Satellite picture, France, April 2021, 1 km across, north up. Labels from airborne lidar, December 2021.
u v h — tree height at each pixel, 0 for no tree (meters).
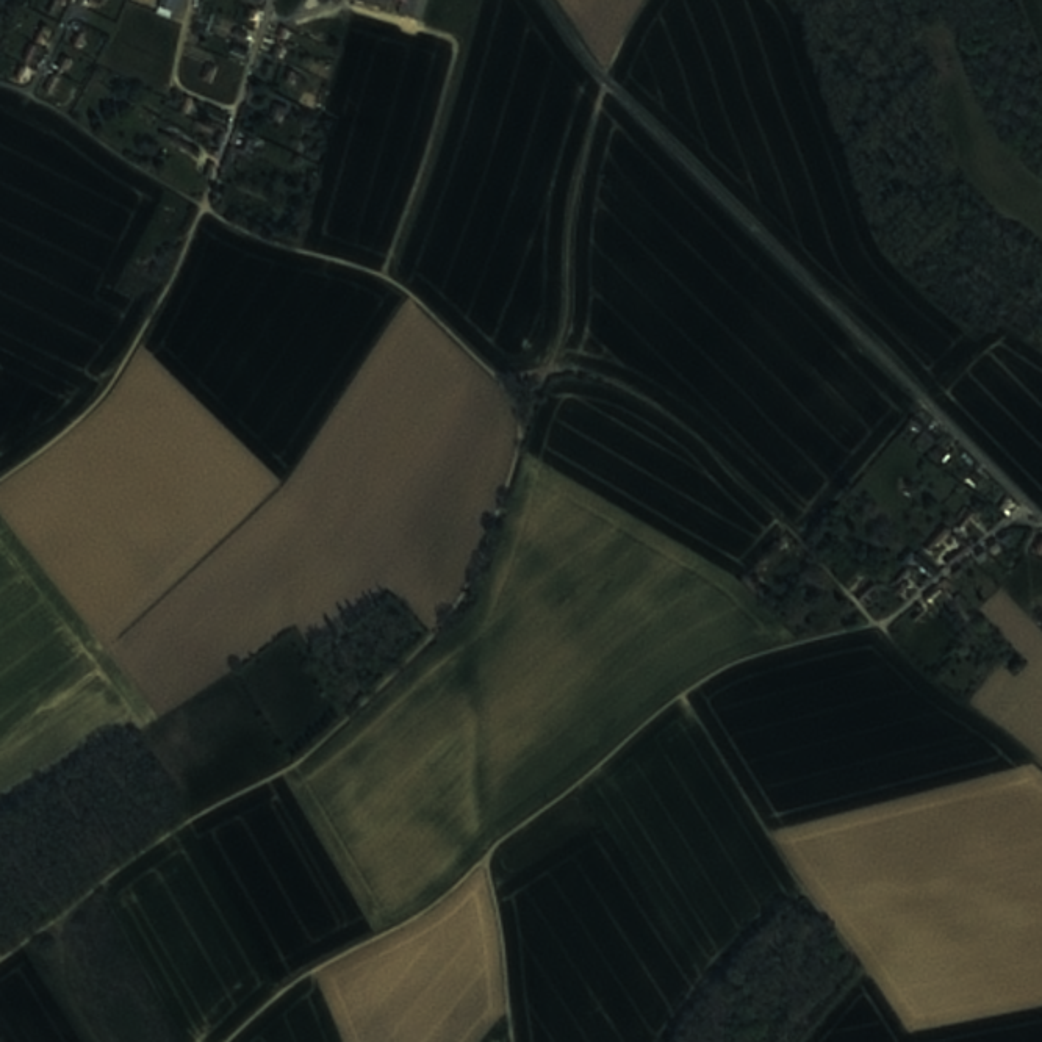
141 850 16
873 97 40
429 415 0
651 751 0
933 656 0
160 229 0
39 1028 0
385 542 0
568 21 0
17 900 19
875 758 0
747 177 0
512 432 0
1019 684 0
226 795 0
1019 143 21
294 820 0
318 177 16
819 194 0
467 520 0
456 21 0
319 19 0
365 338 0
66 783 18
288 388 0
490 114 0
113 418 0
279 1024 0
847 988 22
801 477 0
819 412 0
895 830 0
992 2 21
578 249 0
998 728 0
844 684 0
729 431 0
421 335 0
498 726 0
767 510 0
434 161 0
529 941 0
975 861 0
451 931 0
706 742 0
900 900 0
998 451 0
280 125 8
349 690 16
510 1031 0
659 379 0
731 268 0
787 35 0
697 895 0
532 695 0
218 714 0
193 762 0
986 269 28
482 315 0
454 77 0
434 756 0
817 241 0
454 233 0
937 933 0
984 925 0
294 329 0
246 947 0
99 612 0
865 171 40
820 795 0
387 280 0
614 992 0
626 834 0
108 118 13
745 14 0
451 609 10
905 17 29
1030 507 0
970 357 0
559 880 0
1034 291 27
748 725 0
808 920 18
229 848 0
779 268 0
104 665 0
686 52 0
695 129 0
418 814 0
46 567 0
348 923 0
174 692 0
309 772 0
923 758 0
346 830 0
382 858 0
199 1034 0
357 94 0
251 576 0
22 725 0
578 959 0
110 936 0
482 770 0
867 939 0
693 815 0
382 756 0
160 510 0
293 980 0
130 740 19
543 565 0
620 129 0
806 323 0
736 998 26
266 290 0
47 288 0
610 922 0
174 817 21
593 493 0
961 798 0
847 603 5
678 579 0
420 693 0
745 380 0
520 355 0
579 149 0
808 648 0
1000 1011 0
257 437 0
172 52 0
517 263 0
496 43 0
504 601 0
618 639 0
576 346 0
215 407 0
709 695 0
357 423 0
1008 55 22
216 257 0
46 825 23
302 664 7
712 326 0
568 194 0
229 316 0
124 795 20
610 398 0
